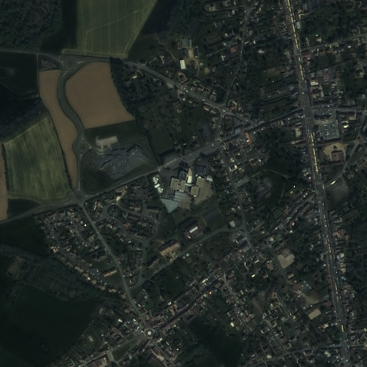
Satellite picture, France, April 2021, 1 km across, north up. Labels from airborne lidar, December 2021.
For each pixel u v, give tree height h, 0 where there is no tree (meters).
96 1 0
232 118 0
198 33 21
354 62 0
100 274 0
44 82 0
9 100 0
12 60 0
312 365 0
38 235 0
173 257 0
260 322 0
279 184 0
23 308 0
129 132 0
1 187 0
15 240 0
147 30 0
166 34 27
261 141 13
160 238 0
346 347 0
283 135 13
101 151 0
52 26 21
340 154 0
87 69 0
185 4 11
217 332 15
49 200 0
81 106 0
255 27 18
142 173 0
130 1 0
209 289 11
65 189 0
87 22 0
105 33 0
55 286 0
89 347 0
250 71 10
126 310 7
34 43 21
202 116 0
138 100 15
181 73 10
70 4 0
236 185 0
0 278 0
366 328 0
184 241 12
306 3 8
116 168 0
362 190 10
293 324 0
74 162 0
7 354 0
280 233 0
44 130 0
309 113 0
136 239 0
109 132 0
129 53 0
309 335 15
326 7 29
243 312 0
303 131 0
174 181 0
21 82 0
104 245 0
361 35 0
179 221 0
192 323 0
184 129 0
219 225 0
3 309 0
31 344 0
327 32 15
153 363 0
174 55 0
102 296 8
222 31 16
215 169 10
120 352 0
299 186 10
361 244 17
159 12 0
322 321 0
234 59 0
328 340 17
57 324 0
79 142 0
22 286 7
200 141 0
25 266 7
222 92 7
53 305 0
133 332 0
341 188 0
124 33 0
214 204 0
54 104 0
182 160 0
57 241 0
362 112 0
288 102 9
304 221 10
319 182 0
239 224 0
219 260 0
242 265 6
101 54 0
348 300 0
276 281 22
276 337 0
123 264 6
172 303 0
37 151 0
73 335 0
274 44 13
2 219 0
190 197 10
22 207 0
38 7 19
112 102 0
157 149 0
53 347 0
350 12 0
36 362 0
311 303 0
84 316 0
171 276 0
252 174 0
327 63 0
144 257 0
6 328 0
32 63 0
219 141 0
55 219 0
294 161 17
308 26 9
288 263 0
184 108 7
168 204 0
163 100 6
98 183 0
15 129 12
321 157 0
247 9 0
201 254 8
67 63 0
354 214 0
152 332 0
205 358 11
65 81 0
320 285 11
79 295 9
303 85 0
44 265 24
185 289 6
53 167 0
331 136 0
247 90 17
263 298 0
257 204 8
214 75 7
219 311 7
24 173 0
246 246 0
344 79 0
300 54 0
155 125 9
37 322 0
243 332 0
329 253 0
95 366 0
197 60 0
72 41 0
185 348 7
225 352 0
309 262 27
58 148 0
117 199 0
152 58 0
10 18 18
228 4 0
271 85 0
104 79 0
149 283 14
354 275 0
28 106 0
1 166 0
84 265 0
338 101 0
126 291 0
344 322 0
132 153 0
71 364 0
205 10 10
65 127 0
